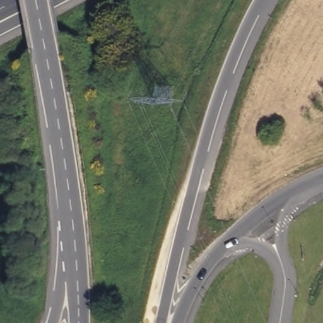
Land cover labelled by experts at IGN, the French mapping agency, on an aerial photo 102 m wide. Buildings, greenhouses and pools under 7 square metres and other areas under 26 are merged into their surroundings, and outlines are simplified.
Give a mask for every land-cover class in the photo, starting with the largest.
<instances>
[{"label":"herbaceous vegetation","instance_id":"1","mask_svg":"<svg viewBox=\"0 0 323 323\"><path fill-rule=\"evenodd\" d=\"M136 26L144 35L143 54L138 58V62L129 68L106 67L101 72L90 74L88 67L91 63V43L87 42V38L91 37L92 26L88 28L86 19L83 18V3L64 11L54 20L57 24L64 81L71 95L77 126L90 226L91 274L95 276L97 283L105 281L106 284L116 285L120 290L122 303L126 304V307L121 313V319L116 323H143L160 247L191 164L214 82L220 73L233 35L251 0H126ZM291 0H279L262 29L242 74L226 122L211 184L204 198L196 241L189 251L188 259L196 260L214 238L220 236L236 220L249 216L252 209L259 206L276 189L284 187L303 173L323 167V155L309 156L304 160V165L295 169L293 173L280 178H267L255 185L252 188L254 194L246 197L241 206L233 209L230 218L220 220L214 216L217 191L230 158L233 132L240 119L247 90L257 64L260 63L266 40L273 33L274 26L278 24L280 16L284 14ZM8 78L11 85L21 86L23 90L21 95L24 96V100L16 107L15 114H28L26 119L29 120L30 134L24 138L20 148L32 151L33 168L38 172L35 204L42 209L43 222L37 237L44 240L42 266L39 270L32 271V276L37 279L34 297H23L14 291H6L0 281V323H40L45 312V291L50 266V225L32 58L28 52L26 35H20L0 45V82ZM289 252L297 274V297L291 323H323V202L309 207L307 211L299 214L298 218L291 220L289 225ZM274 290L273 271L261 256L250 251L223 267L214 278L204 294L193 323H269Z\"/></svg>","mask_w":323,"mask_h":323},{"label":"impervious surface","instance_id":"2","mask_svg":"<svg viewBox=\"0 0 323 323\"><path fill-rule=\"evenodd\" d=\"M86 0H0V45L20 35H26L28 52L32 58L50 225V266L45 291V312L40 323H91L92 303L85 298V293L97 283L95 276L91 274L90 226L77 126L71 95L64 81L57 24L54 20L64 11L83 3ZM279 0H251L233 35L220 73L214 82L191 164L160 247L143 323H193L204 294L214 278L223 267L250 251L261 256L273 271L274 290L269 323H291L297 297V274L289 252V225L291 220L298 218L299 214L307 211L309 207L323 202V167L303 173L284 187L276 189L259 206L252 209L249 216L236 220L220 236L214 238L196 260L188 259L189 251L196 241L204 198L211 184L226 122L242 74L262 29Z\"/></svg>","mask_w":323,"mask_h":323},{"label":"agricultural land","instance_id":"3","mask_svg":"<svg viewBox=\"0 0 323 323\"><path fill-rule=\"evenodd\" d=\"M281 119L285 121V129L278 145L262 144L256 136L262 127ZM323 155V0H291L284 14L280 16L278 24L274 26L273 33L266 40L260 63L257 64L247 90L240 119L233 132L230 158L217 191L214 216L220 220L230 218L233 209L241 206L246 197L254 194L252 188L255 185L267 178H280L293 173L295 169L304 165V160L309 156Z\"/></svg>","mask_w":323,"mask_h":323},{"label":"deciduous trees","instance_id":"4","mask_svg":"<svg viewBox=\"0 0 323 323\"><path fill-rule=\"evenodd\" d=\"M83 18L86 19L88 28L92 26L91 37L87 38V42L91 43V63L88 67L90 74L101 72L106 67L129 68L138 62V58L143 54L144 35L136 26L126 0H86L83 3ZM23 90L21 86L11 85L8 78L0 82V281L6 291H14L23 297H34L37 279L32 276V271L39 270L42 266L44 240L37 237L43 222L42 209L35 204L38 172L33 168L32 151L20 148L24 138L30 134L29 120L26 119L28 114H15L16 107L24 100V96L21 95ZM285 129V121L281 119L262 127L256 136L262 144L278 145ZM85 298L92 303L91 323H116L121 319V313L126 307V304L122 303L120 290L116 285L106 284L105 281L97 283L85 293Z\"/></svg>","mask_w":323,"mask_h":323}]
</instances>
